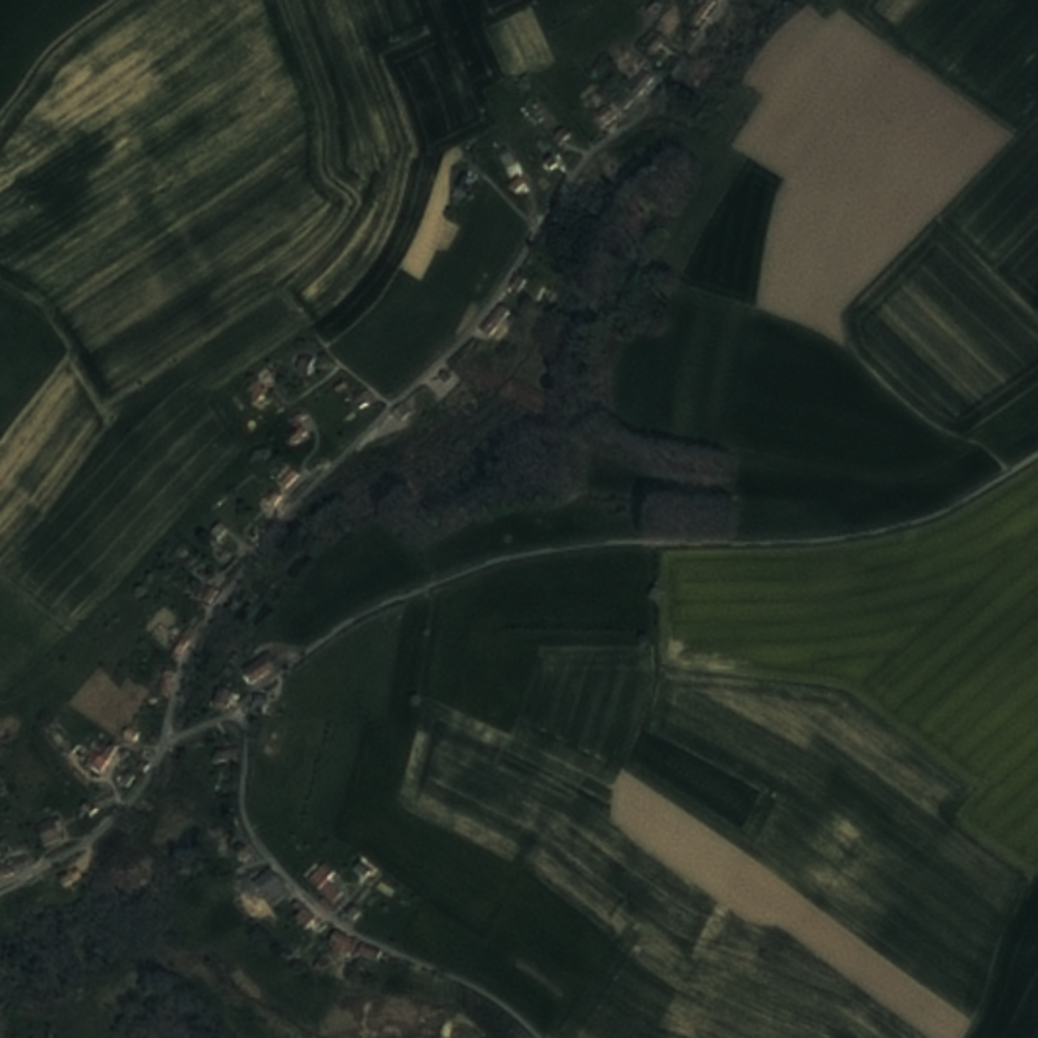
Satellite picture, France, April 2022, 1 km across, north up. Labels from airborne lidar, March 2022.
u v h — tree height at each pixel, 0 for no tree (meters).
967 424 0
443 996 0
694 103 24
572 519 0
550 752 0
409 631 0
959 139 0
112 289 0
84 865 0
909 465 0
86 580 0
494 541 0
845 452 0
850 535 0
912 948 0
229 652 18
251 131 0
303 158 0
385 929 0
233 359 0
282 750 0
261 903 0
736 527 22
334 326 0
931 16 0
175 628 0
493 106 0
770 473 0
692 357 0
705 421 0
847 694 0
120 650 0
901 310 0
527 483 29
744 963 0
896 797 0
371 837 0
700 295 0
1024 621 0
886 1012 0
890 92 0
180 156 0
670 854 0
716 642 0
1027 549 0
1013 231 0
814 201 0
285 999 0
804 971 0
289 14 0
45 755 0
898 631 0
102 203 0
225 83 0
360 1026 0
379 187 0
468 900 0
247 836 0
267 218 0
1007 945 0
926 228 0
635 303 24
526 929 0
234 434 0
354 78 0
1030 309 0
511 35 0
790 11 17
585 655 0
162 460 0
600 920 0
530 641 0
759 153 0
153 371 0
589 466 23
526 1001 0
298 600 0
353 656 0
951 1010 0
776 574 0
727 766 0
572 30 0
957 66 0
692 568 0
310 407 0
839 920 0
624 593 0
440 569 0
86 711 0
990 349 0
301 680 0
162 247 0
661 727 0
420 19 0
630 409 0
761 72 0
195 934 0
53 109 0
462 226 0
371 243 0
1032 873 0
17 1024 0
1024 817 0
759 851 0
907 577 0
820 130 0
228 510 0
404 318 0
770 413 0
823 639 0
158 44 0
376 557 0
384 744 0
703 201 0
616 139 0
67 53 0
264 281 0
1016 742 0
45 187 0
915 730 0
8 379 0
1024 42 0
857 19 0
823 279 0
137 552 0
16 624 0
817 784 0
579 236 28
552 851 0
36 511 0
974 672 0
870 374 0
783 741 0
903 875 0
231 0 0
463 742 0
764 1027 0
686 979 0
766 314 0
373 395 0
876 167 0
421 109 0
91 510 0
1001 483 0
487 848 0
